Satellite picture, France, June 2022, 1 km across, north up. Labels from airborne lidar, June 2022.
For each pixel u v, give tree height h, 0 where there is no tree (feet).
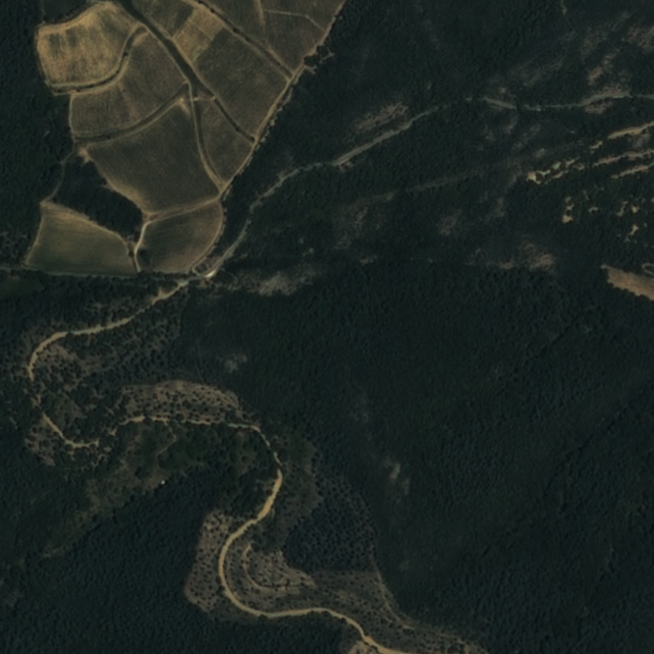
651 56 27
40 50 0
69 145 42
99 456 22
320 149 37
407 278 25
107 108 0
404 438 30
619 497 49
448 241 22
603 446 56
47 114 31
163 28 0
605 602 40
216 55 0
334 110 24
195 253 0
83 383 25
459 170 40
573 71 23
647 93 25
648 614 28
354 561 46
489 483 41
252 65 0
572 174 37
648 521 49
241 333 27
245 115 0
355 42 23
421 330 25
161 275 22
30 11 34
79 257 0
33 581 49
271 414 28
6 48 52
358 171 31
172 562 48
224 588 27
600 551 53
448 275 41
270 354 41
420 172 43
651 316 30
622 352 32
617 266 33
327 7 0
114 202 32
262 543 27
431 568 25
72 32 0
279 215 36
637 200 40
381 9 25
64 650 23
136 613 42
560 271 17
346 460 35
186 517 54
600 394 21
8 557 45
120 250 0
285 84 0
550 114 38
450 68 32
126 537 21
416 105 39
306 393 28
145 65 0
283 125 25
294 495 23
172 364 37
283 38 0
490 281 49
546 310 51
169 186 0
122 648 20
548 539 53
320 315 60
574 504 28
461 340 26
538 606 66
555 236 20
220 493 50
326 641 23
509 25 21
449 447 61
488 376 36
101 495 26
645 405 53
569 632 39
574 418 31
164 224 0
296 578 0
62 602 17
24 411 41
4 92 27
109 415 21
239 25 0
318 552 42
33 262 0
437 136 37
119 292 32
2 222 31
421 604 38
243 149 0
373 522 39
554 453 33
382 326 22
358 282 30
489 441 45
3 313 28
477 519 37
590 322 41
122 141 0
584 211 34
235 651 57
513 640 52
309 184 48
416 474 44
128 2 0
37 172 39
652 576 38
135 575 44
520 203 25
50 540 20
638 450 55
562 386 38
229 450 31
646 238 31
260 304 29
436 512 30
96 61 0
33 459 28
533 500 40
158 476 0
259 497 22
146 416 31
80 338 42
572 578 50
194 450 46
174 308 29
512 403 46
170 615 52
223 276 29
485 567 40
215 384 39
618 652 31
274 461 23
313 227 30
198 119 0
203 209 0
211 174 0
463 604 45
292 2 0
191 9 0
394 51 21
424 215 21
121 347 27
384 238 18
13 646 48
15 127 23
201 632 35
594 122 17
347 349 20
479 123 34
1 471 41
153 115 0
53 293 48
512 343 31
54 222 0
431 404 38
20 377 24
